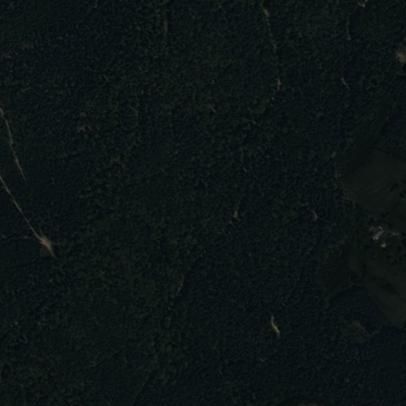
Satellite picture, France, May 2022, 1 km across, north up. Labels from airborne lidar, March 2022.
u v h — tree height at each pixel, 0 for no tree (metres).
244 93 27
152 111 34
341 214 28
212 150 32
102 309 28
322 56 25
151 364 20
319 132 32
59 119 12
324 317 24
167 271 33
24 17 7
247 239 32
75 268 27
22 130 7
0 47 8
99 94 10
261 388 24
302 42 27
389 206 0
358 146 7
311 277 28
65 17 13
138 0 29
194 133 33
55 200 11
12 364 34
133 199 35
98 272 31
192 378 27
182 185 38
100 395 24
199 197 32
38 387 27
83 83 11
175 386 31
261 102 33
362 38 20
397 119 33
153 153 23
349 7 19
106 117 28
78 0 18
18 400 19
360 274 0
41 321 31
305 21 22
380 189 0
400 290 0
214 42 24
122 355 20
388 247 13
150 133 27
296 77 35
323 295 34
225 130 32
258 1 19
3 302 24
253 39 31
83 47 17
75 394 28
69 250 8
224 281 33
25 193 17
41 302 26
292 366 28
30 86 23
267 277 30
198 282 31
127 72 37
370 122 13
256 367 30
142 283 35
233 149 38
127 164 33
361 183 0
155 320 28
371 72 35
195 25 28
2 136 7
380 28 9
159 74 36
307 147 28
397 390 24
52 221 27
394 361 23
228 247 33
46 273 16
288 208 32
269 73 27
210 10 9
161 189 32
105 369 20
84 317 20
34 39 10
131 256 30
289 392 19
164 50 32
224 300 30
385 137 29
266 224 32
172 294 34
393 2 19
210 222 35
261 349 30
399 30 15
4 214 17
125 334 19
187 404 29
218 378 32
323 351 24
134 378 20
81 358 20
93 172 22
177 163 28
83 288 29
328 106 33
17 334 9
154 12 27
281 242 31
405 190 0
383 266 0
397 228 0
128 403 20
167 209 28
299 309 17
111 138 30
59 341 27
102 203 28
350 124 37
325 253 20
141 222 25
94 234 32
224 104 31
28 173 15
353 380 35
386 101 6
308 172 34
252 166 39
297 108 32
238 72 33
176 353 33
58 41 11
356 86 30
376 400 28
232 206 20
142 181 27
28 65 31
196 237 32
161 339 35
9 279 12
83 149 7
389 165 0
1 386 18
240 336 12
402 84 32
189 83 29
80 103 11
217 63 27
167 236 25
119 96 20
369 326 25
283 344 29
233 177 30
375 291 0
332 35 19
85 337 18
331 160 27
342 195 28
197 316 28
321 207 22
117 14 30
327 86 32
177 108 33
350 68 37
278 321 21
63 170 14
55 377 25
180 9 29
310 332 26
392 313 0
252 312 34
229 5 24
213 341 25
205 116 36
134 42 10
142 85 35
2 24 12
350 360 33
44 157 10
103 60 35
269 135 29
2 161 9
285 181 30
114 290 26
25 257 20
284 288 26
